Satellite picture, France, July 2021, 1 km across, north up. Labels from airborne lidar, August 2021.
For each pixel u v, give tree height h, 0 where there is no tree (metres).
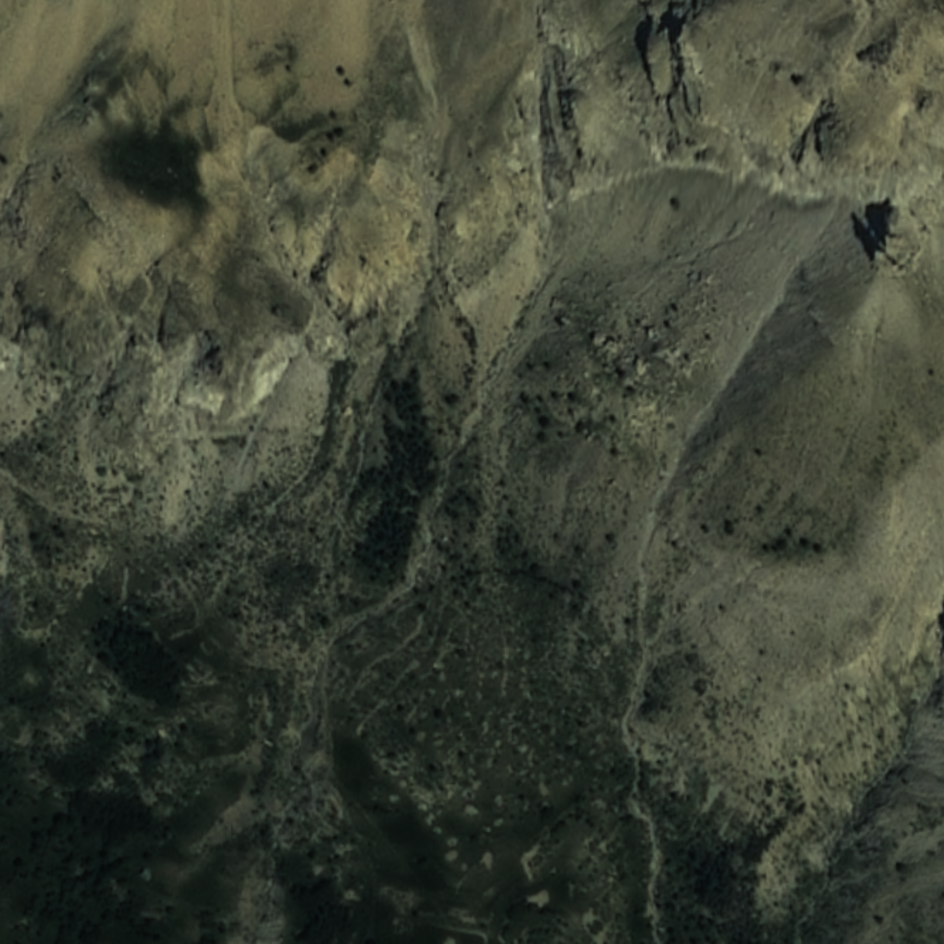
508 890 0
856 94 0
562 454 0
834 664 0
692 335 0
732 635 0
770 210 0
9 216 0
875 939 0
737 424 0
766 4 0
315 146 0
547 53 0
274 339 0
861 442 0
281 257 0
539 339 0
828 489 0
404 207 0
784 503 0
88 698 0
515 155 0
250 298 0
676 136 0
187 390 0
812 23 0
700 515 0
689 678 0
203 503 0
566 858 0
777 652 0
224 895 0
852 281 0
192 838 0
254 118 0
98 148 0
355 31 0
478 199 0
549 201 0
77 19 0
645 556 0
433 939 0
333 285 0
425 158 0
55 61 0
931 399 0
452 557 8
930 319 0
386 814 6
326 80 0
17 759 7
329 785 0
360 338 0
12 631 0
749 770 0
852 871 0
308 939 14
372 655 0
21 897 0
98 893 16
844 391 0
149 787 8
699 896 12
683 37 0
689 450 0
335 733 0
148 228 0
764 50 0
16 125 0
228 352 0
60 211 0
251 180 0
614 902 0
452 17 0
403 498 14
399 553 12
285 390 0
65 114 0
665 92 0
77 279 0
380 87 0
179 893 0
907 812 0
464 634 0
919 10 0
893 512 0
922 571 0
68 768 12
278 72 0
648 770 7
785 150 0
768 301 0
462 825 0
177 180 0
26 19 0
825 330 0
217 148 0
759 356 0
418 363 0
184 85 0
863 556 0
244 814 0
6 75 0
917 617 0
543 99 0
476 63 0
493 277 0
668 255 0
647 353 0
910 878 0
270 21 0
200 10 0
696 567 0
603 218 0
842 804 0
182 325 0
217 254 0
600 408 0
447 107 0
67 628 0
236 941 0
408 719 0
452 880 0
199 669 0
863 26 0
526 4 0
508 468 0
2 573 0
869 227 0
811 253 0
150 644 16
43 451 9
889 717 0
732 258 0
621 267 0
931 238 0
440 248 0
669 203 0
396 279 0
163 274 0
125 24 0
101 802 11
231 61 0
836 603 0
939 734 0
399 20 0
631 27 0
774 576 0
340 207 0
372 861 0
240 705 0
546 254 0
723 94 0
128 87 0
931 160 0
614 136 0
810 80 0
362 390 0
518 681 0
